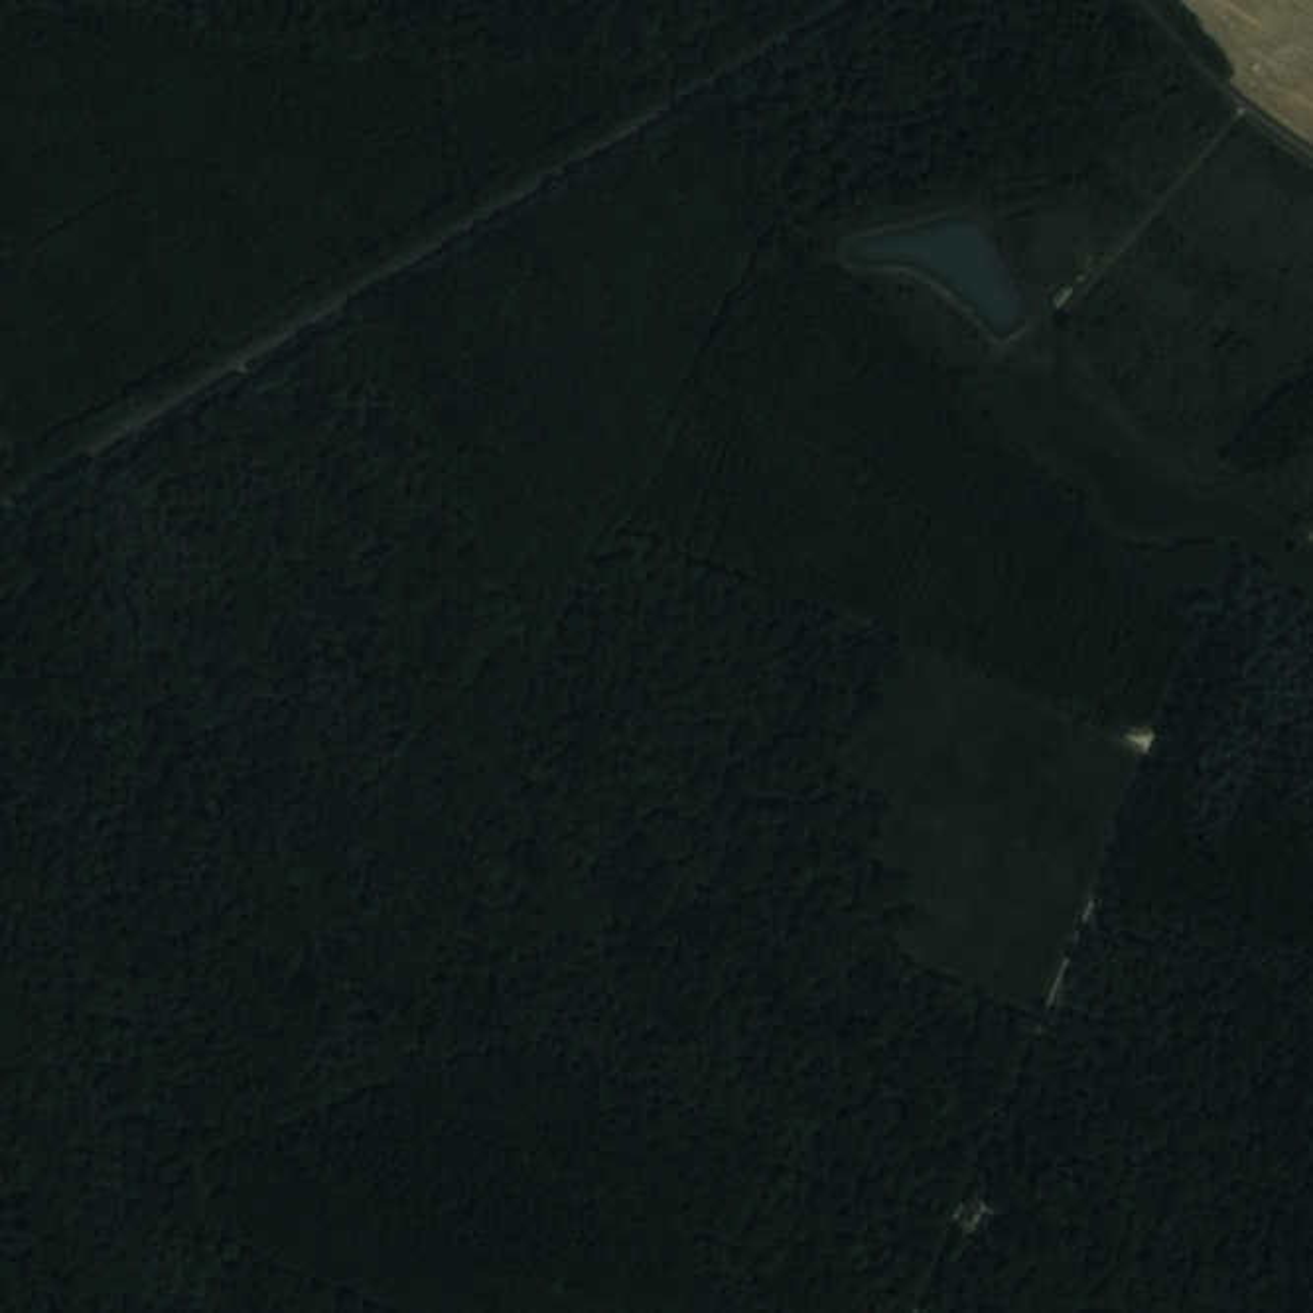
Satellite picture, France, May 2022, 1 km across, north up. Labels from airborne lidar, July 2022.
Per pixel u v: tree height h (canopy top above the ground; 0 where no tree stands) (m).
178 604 30
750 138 10
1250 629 27
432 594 24
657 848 17
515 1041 16
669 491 8
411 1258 15
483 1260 14
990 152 22
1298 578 0
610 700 18
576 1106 19
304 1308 23
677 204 10
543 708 16
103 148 8
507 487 15
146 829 28
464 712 16
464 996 20
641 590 20
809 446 9
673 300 12
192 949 25
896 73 20
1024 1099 21
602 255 10
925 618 9
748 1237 23
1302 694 33
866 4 21
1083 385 0
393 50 19
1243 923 26
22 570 24
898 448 11
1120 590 11
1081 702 8
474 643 21
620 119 14
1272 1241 21
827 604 6
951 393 11
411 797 18
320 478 27
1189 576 11
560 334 13
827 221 8
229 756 25
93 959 23
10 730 25
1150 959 22
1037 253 0
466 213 16
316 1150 17
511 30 21
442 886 16
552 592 11
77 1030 20
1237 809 24
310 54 15
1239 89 0
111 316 6
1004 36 23
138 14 11
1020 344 0
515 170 11
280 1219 16
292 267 10
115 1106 24
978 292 0
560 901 21
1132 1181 23
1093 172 10
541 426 14
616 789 16
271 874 17
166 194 10
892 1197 21
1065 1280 23
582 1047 19
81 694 19
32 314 6
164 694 20
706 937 23
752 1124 22
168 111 10
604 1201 17
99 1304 24
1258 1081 18
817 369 14
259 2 18
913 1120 27
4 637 26
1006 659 7
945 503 11
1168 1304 18
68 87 8
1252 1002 21
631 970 22
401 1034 22
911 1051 25
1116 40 22
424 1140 17
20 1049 20
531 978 18
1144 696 6
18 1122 21
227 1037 16
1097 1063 13
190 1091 25
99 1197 19
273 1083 21
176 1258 21
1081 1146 25
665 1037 19
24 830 19
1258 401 7
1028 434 0
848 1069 23
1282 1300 21
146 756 16
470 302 12
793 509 8
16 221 7
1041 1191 26
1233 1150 20
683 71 19
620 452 11
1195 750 26
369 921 20
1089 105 18
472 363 13
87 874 20
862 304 17
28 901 20
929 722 0
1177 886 24
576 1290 15
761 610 16
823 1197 24
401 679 18
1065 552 11
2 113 6
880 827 21
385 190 9
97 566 29
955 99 26
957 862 0
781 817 24
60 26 11
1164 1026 20
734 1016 17
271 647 20
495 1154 15
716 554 6
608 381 12
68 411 6
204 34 17
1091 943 25
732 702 18
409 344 14
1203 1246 17
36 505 18
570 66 12
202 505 22
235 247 10
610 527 14
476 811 17
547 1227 16
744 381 12
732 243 9
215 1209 14
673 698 19
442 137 10
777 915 23
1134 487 0
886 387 12
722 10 20
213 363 7
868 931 20
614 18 20
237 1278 25
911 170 15
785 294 15
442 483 8
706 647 15
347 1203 15
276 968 26
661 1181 18
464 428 17
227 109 10
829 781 22
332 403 23
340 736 22
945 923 0
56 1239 25
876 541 7
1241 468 7
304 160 11
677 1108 16
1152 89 21
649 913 22
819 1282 21
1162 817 26
